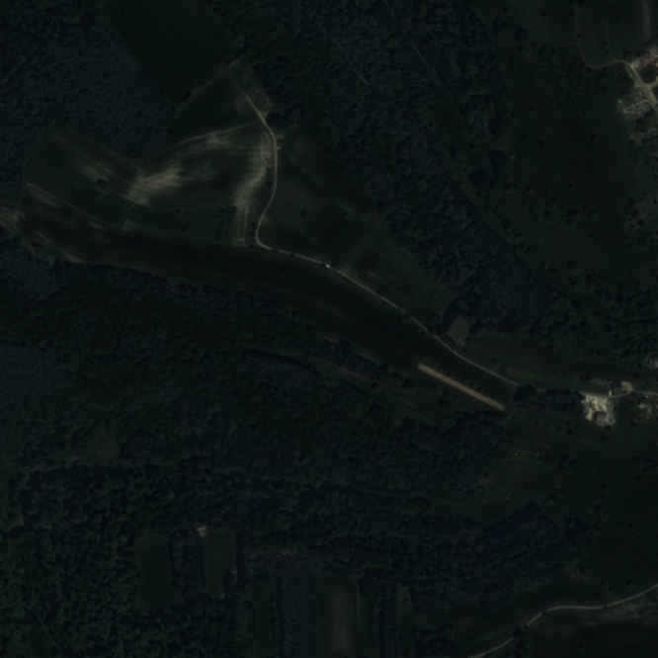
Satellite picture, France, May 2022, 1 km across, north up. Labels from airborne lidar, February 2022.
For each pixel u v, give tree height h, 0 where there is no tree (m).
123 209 0
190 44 0
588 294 0
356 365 20
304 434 24
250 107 0
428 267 14
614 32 0
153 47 0
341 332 0
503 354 0
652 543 0
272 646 0
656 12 0
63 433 27
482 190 23
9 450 23
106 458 0
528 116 0
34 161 0
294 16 26
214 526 12
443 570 28
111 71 28
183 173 0
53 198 0
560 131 0
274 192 0
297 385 27
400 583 15
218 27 0
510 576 19
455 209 31
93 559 37
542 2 0
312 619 22
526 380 0
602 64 0
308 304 0
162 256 0
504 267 34
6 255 27
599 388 0
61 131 0
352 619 0
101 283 26
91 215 0
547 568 19
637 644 0
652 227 0
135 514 13
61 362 27
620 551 0
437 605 24
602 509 9
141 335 29
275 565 23
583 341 13
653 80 0
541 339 15
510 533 23
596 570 0
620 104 0
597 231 0
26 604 34
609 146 0
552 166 0
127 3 0
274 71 20
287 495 27
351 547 24
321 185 0
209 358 28
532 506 0
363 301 0
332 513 26
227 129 0
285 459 35
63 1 15
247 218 0
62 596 36
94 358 28
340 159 19
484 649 0
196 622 31
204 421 26
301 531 32
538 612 0
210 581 0
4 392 25
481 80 32
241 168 0
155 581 0
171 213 0
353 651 0
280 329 22
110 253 0
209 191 0
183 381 26
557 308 12
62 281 24
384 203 22
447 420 0
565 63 6
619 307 17
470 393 0
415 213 24
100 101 25
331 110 30
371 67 31
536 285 24
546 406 18
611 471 0
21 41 34
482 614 0
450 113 0
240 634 26
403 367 0
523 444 0
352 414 25
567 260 0
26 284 26
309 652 25
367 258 0
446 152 7
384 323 0
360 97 25
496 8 0
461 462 30
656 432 0
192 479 10
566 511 0
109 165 0
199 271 0
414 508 24
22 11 18
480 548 22
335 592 0
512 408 0
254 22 29
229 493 22
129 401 28
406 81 19
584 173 0
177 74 0
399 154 35
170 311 29
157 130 25
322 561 24
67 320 27
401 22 15
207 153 0
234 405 28
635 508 0
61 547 38
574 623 0
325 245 0
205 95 0
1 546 33
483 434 29
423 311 0
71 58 27
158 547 0
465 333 0
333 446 26
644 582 0
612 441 0
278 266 0
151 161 0
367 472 36
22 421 22
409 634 0
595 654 0
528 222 0
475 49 23
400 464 32
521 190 0
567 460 14
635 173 0
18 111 26
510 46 0
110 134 26
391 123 26
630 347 7
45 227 0
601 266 0
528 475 0
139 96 23
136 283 27
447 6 25
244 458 28
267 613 0
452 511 0
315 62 27
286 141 0
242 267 0
